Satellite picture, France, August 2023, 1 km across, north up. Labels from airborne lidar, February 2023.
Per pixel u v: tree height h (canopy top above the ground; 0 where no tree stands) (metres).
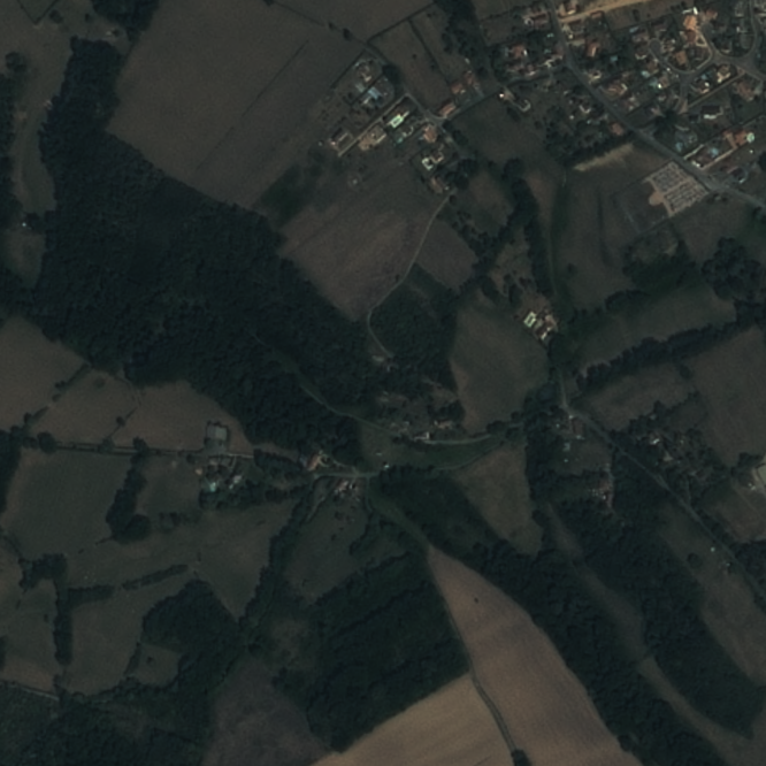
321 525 0
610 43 0
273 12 0
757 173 0
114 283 19
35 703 9
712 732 0
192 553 0
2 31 0
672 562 10
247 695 0
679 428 0
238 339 25
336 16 0
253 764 0
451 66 0
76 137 26
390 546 0
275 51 0
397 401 0
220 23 0
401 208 0
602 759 0
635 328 0
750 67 0
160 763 8
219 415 0
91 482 0
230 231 15
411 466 0
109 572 0
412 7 0
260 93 0
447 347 11
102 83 22
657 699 7
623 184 0
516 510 0
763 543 7
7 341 0
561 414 13
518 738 0
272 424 22
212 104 0
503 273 0
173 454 0
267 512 0
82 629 0
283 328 21
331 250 0
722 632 0
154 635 13
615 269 0
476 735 0
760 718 0
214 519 0
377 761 0
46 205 0
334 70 0
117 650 0
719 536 14
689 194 0
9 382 0
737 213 0
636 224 0
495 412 0
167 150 0
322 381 20
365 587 8
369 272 0
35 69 0
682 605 17
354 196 0
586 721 0
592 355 0
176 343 26
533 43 10
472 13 17
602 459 0
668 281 0
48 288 18
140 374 29
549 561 19
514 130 0
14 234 0
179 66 0
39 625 0
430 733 0
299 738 0
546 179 0
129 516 21
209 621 26
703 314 0
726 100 0
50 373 0
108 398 0
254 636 8
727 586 0
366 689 21
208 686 24
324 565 0
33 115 0
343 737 23
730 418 0
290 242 0
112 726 6
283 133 0
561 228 0
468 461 0
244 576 0
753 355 0
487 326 0
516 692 0
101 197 22
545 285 20
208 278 19
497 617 0
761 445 0
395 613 18
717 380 0
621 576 14
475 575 0
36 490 0
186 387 0
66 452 0
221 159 0
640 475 11
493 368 0
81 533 0
